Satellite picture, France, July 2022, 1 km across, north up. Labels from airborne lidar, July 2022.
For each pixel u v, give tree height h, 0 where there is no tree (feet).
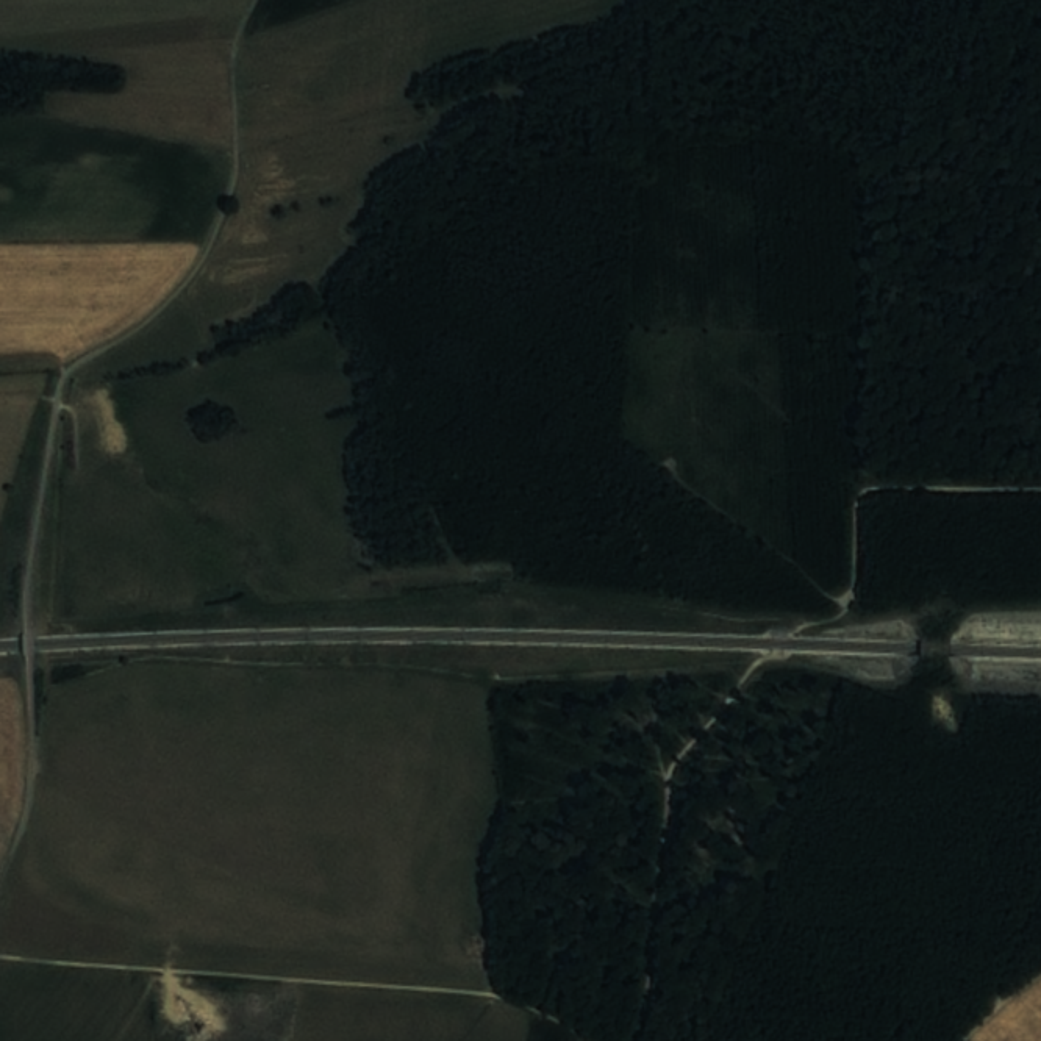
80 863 0
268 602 0
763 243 32
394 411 59
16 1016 0
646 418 0
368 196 21
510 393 68
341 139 0
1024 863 44
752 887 95
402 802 0
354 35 0
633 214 28
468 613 0
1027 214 97
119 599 0
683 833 94
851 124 50
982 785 52
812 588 23
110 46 0
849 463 21
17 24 0
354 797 0
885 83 65
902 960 67
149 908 0
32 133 0
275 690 0
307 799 0
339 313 61
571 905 92
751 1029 61
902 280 81
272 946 0
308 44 0
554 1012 53
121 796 0
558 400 52
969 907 56
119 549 0
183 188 0
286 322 55
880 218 94
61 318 0
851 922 50
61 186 0
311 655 0
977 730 46
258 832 0
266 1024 0
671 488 58
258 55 0
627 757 95
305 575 0
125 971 0
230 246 0
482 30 0
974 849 47
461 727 0
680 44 78
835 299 29
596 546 37
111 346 0
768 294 31
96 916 0
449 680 0
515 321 39
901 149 84
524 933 84
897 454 85
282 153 0
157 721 0
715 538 33
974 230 83
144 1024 0
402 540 48
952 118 79
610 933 81
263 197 0
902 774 60
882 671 0
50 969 0
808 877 61
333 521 0
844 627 0
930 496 46
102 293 0
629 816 94
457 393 62
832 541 27
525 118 57
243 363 0
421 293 40
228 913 0
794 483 18
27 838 0
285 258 0
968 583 31
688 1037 71
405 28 0
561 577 37
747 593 31
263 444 0
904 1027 63
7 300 0
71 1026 0
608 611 0
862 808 47
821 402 24
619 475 62
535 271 43
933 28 74
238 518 0
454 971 0
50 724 0
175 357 0
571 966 95
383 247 65
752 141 25
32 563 0
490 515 41
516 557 29
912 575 45
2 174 0
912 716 31
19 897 0
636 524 46
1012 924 63
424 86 62
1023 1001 0
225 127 0
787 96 57
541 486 40
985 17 92
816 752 82
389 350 49
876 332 91
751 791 75
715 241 20
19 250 0
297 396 0
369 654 0
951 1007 53
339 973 0
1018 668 0
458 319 42
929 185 89
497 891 80
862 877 55
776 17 62
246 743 0
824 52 80
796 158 26
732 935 86
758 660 0
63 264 0
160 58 0
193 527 0
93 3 0
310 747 0
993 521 53
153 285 0
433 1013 0
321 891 0
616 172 35
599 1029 68
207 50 0
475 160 95
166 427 0
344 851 0
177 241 0
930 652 0
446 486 52
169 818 0
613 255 26
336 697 0
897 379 104
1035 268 72
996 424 94
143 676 0
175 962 0
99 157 0
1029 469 80
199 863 0
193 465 0
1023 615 0
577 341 50
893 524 54
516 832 83
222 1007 0
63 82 69
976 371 76
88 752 0
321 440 0
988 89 68
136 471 0
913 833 53
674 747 91
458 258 52
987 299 97
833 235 30
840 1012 65
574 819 91
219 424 59
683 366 0
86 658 0
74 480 0
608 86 102
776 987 68
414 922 0
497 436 67
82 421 0
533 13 0
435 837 0
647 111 97
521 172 47
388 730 0
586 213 43
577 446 43
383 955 0
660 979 80
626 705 88
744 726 80
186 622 0
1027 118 90
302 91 0
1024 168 75
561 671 0
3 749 0
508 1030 0
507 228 47
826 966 67
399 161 48
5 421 0
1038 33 98
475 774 0
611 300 44
